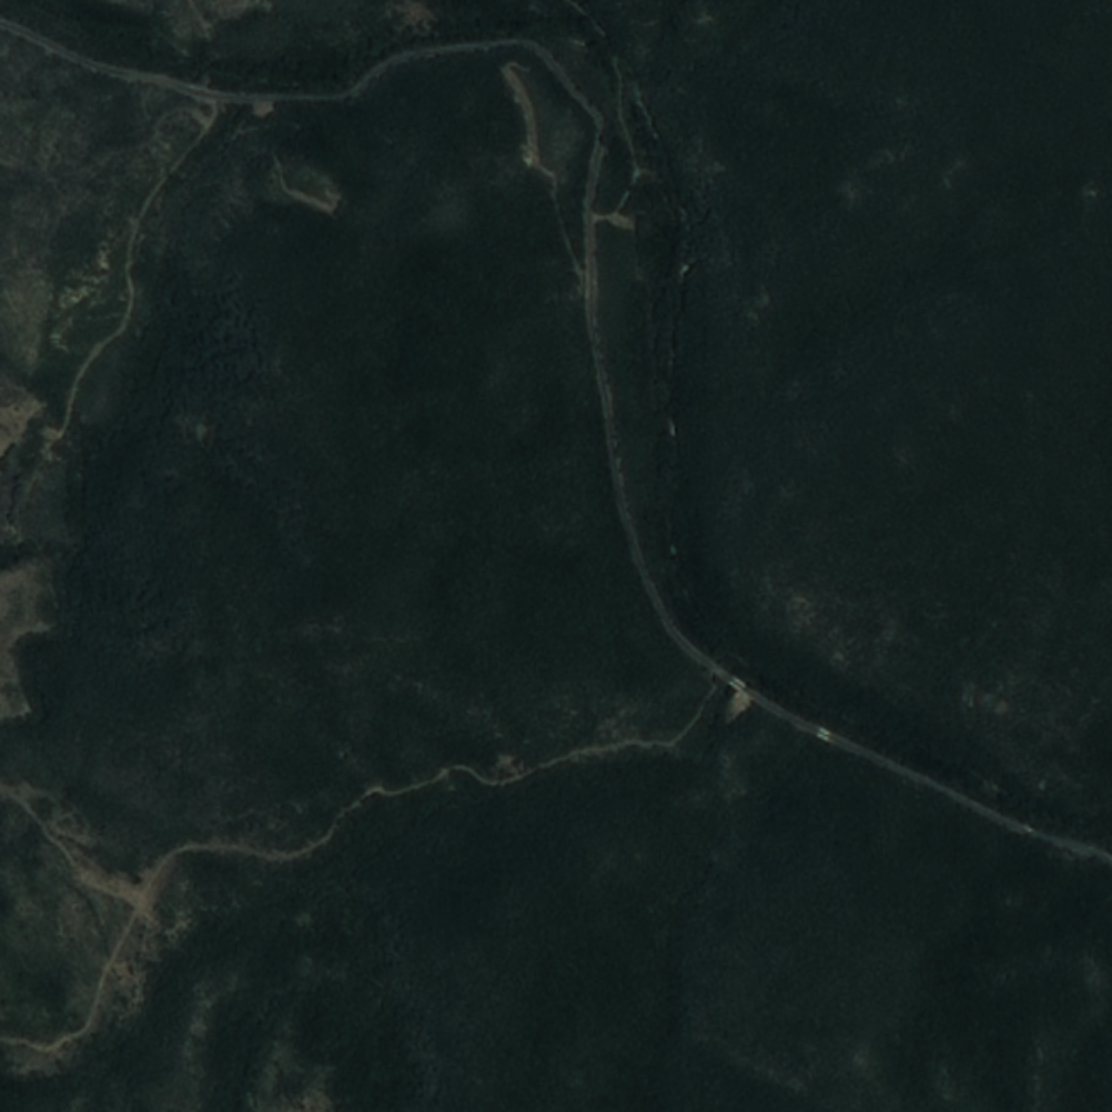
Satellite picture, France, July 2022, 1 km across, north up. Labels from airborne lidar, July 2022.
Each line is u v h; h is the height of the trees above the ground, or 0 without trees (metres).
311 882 6
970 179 6
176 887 0
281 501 6
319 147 8
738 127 6
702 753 9
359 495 5
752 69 7
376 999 6
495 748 8
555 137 0
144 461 6
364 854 10
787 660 7
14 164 0
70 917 0
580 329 6
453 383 6
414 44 11
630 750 7
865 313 9
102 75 7
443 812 7
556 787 10
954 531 5
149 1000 6
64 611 8
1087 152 6
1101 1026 6
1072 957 5
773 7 14
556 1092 5
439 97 7
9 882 0
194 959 9
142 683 6
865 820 7
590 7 8
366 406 8
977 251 7
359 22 6
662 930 7
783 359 8
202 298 6
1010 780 6
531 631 6
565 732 6
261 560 6
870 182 5
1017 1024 6
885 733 11
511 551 6
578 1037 6
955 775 12
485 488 7
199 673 7
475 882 7
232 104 5
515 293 6
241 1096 6
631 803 7
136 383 10
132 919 0
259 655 6
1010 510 5
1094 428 5
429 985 6
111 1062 6
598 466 6
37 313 0
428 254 7
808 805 6
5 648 0
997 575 6
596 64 9
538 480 6
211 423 7
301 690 6
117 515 5
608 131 7
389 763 6
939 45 5
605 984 6
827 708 9
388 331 9
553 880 6
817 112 7
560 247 6
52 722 7
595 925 6
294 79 7
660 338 8
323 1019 7
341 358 6
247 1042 5
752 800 6
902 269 7
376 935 7
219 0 0
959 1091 7
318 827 7
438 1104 8
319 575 6
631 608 5
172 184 5
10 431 0
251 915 10
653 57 6
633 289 6
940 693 6
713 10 7
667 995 9
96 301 0
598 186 6
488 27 12
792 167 6
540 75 7
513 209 6
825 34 7
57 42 7
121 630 6
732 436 6
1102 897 7
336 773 7
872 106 6
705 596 6
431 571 6
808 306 10
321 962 6
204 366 8
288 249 6
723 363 6
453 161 5
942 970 10
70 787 7
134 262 6
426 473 7
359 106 6
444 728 8
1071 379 5
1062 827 5
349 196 5
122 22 6
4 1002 6
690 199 8
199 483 7
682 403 8
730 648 6
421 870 6
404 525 6
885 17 6
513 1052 7
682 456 7
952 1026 8
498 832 8
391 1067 9
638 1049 6
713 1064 6
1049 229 7
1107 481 7
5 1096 7
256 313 6
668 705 5
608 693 6
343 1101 6
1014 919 6
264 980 6
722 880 6
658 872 6
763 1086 6
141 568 6
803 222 6
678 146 5
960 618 5
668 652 6
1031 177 7
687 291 11
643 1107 8
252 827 6
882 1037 6
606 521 8
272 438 5
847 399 6
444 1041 5
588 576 5
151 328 6
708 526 6
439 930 6
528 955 6
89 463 12
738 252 7
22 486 12
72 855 0
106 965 0
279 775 5
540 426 6
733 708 0
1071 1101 7
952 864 6
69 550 6
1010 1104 8
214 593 5
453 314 6
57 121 0
